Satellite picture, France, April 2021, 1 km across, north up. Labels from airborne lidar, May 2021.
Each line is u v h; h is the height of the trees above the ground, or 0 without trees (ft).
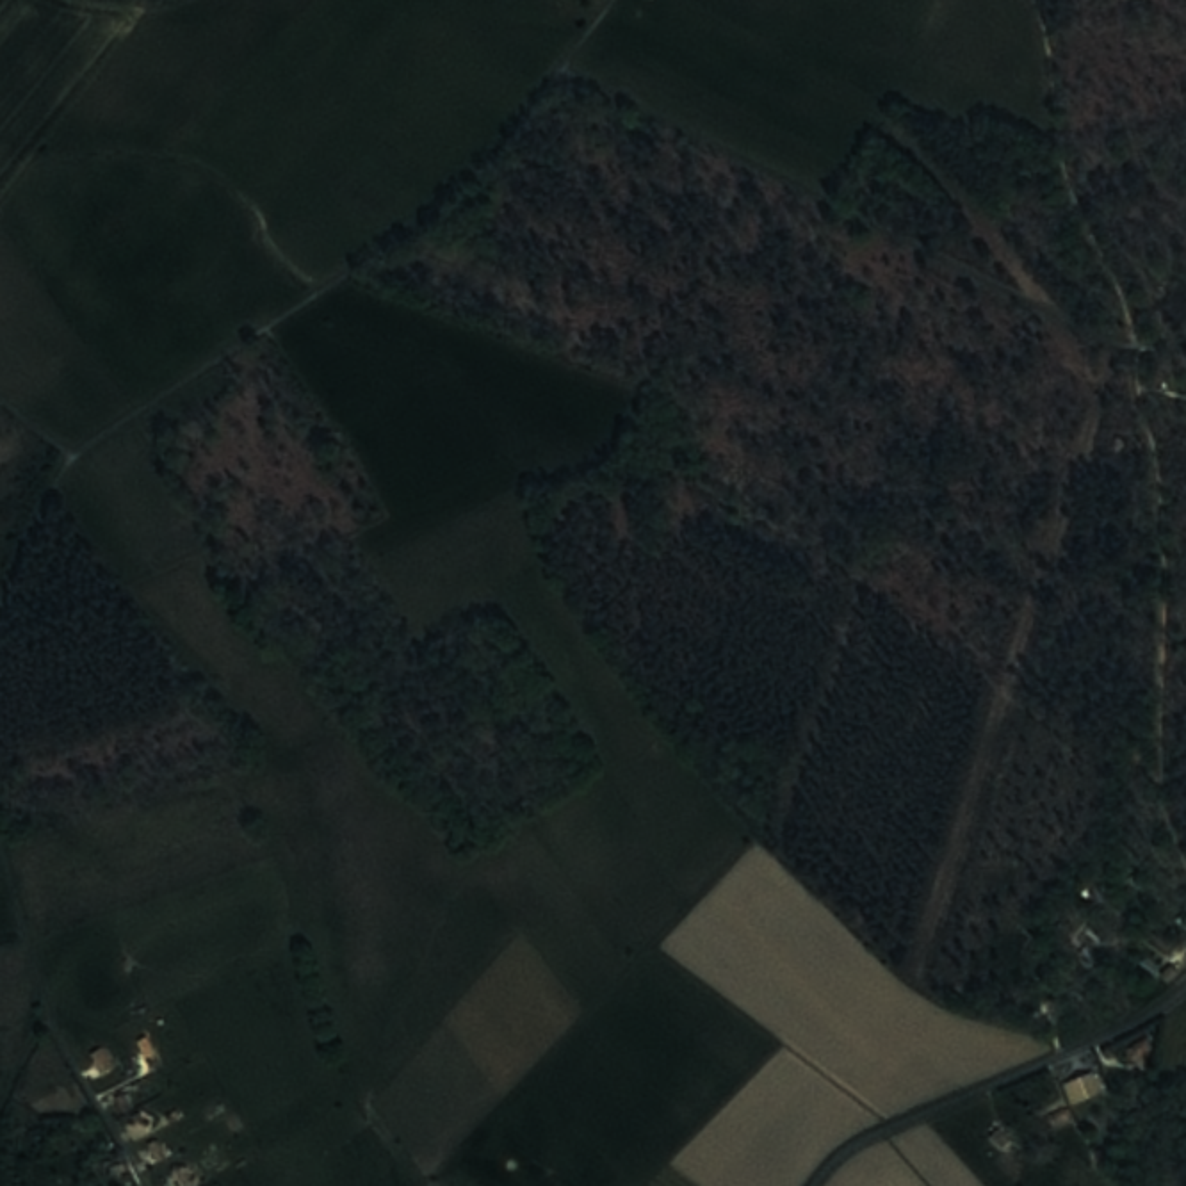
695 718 69
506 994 0
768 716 61
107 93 0
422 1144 0
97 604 65
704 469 38
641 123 27
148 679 75
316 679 57
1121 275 63
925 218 76
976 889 0
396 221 0
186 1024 0
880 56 0
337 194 0
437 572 0
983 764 0
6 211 0
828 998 0
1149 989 40
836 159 0
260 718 0
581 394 0
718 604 53
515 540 0
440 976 0
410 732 71
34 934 0
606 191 69
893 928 58
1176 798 59
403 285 67
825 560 24
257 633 69
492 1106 0
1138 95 19
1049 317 0
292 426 46
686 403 55
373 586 64
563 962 0
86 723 72
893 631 58
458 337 0
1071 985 27
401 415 0
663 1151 0
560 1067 0
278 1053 0
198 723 44
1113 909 56
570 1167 0
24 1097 0
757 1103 0
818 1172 0
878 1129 0
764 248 33
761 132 0
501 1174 0
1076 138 31
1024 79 0
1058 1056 0
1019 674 19
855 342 62
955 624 41
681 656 61
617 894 0
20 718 70
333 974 0
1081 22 44
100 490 0
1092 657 63
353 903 0
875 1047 0
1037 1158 52
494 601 0
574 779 58
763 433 29
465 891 0
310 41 0
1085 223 59
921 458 51
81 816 64
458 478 0
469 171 0
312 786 0
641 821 0
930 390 25
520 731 61
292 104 0
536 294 65
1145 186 80
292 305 0
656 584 63
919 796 44
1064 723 57
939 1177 0
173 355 0
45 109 0
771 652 53
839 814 60
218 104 0
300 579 69
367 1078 0
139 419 0
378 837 0
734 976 0
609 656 79
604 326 28
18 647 67
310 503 39
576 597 67
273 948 0
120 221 0
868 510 79
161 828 0
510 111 0
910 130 61
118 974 0
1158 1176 74
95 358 0
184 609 0
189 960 0
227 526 66
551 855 0
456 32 0
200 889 0
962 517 51
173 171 0
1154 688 44
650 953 0
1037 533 51
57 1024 0
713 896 0
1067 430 23
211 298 0
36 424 0
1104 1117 47
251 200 0
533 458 0
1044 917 57
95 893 0
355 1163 0
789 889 0
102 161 0
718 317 53
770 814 49
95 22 0
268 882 0
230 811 0
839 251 31
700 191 39
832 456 42
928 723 45
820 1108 0
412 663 73
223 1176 0
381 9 0
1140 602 44
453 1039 0
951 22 0
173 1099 0
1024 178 43
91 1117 37
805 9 0
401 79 0
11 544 22
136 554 0
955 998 56
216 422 69
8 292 0
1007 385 73
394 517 0
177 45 0
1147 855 62
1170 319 41
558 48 0
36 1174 0
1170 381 25
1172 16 28
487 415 0
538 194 55
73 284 0
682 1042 0
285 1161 0
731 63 0
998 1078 0
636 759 0
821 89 0
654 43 0
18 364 0
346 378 0
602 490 50
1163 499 28
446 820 69
